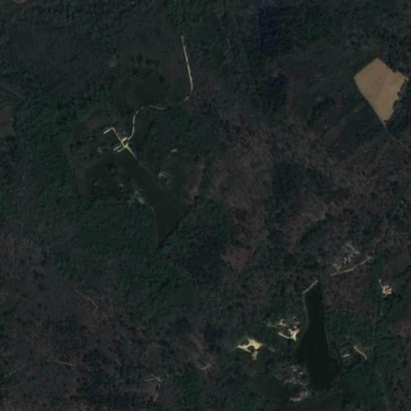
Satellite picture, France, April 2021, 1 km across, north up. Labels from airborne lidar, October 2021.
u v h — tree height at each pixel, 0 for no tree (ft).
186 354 77
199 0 36
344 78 32
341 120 36
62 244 36
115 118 84
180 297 51
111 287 28
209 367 82
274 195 46
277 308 30
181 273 39
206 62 38
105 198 37
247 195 64
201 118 33
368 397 51
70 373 29
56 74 40
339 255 32
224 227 48
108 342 28
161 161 47
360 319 43
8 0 24
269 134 46
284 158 57
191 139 53
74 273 44
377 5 51
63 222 46
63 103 25
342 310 51
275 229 37
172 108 32
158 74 42
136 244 44
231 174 54
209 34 36
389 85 0
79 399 42
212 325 50
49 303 22
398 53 20
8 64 48
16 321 29
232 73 33
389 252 54
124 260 64
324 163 53
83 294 28
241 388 64
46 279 41
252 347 23
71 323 32
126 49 36
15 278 27
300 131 58
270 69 38
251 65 69
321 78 32
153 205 0
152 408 42
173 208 0
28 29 45
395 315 30
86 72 40
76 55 28
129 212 41
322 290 43
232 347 58
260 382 0
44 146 74
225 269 50
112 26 31
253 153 57
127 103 36
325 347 0
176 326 64
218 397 52
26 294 40
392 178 59
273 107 85
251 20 46
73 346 26
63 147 31
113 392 23
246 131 39
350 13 42
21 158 64
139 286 52
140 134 0
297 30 66
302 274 46
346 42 29
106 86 32
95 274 23
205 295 40
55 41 39
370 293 32
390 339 58
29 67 39
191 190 40
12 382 47
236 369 53
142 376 41
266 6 57
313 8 55
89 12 39
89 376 44
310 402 0
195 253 52
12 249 35
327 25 46
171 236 46
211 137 39
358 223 75
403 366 18
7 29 73
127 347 26
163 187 0
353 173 57
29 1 28
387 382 22
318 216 81
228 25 43
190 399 64
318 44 47
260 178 57
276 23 54
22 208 45
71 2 52
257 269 32
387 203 28
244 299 41
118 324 26
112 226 52
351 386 47
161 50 37
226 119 32
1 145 23
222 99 35
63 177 65
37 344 28
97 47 33
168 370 57
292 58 28
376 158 32
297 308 63
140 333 20
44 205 48
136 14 40
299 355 0
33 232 41
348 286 23
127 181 41
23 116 59
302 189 43
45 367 56
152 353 36
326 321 55
